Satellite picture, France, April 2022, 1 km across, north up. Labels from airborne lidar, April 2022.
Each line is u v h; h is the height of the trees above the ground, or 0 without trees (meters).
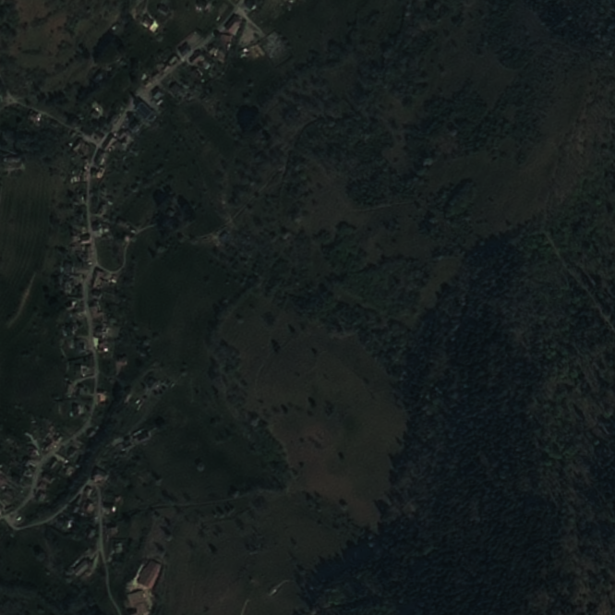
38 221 0
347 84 0
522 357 7
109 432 10
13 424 0
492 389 20
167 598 0
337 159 23
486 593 25
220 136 0
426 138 7
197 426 0
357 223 0
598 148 17
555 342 20
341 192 0
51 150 12
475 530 23
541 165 0
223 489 0
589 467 34
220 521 0
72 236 0
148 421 0
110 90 0
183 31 0
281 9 0
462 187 9
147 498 0
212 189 0
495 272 22
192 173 0
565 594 9
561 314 20
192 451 0
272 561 0
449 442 10
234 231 0
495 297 20
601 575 16
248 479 0
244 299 6
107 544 0
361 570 30
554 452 21
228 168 13
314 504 13
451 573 32
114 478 14
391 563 36
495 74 0
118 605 0
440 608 33
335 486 0
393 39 13
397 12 0
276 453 14
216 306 0
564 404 22
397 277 8
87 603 22
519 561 25
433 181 0
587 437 14
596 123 18
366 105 23
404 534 27
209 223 0
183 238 13
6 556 0
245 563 0
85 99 17
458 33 0
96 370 0
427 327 10
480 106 9
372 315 8
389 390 0
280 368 0
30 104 12
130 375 0
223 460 0
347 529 6
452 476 10
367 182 12
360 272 15
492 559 21
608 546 13
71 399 0
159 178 0
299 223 14
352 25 8
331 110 22
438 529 24
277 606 0
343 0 0
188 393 0
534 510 21
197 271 0
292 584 0
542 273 20
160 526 0
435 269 0
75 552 0
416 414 11
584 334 24
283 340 0
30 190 0
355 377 0
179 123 0
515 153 0
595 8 11
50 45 0
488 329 26
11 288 0
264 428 18
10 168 0
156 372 0
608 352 23
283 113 0
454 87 0
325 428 0
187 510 0
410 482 14
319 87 16
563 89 0
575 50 7
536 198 0
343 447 0
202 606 0
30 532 0
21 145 10
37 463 0
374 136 14
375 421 0
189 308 0
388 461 0
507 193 0
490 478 9
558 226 10
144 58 0
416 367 27
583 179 12
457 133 11
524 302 19
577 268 25
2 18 12
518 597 27
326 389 0
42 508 7
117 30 14
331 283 15
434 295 0
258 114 16
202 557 0
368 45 11
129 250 0
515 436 24
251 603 0
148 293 0
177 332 0
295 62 0
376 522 0
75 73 0
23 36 0
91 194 8
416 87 11
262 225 20
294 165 13
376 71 17
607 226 15
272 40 0
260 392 0
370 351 15
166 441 0
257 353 0
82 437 0
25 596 12
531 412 10
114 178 0
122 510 0
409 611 15
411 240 0
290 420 0
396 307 12
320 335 0
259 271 7
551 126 0
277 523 0
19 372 0
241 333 0
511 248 11
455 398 7
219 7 0
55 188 0
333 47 14
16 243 0
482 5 0
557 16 10
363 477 0
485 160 0
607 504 38
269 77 0
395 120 0
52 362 0
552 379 14
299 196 10
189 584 0
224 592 0
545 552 22
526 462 25
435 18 12
